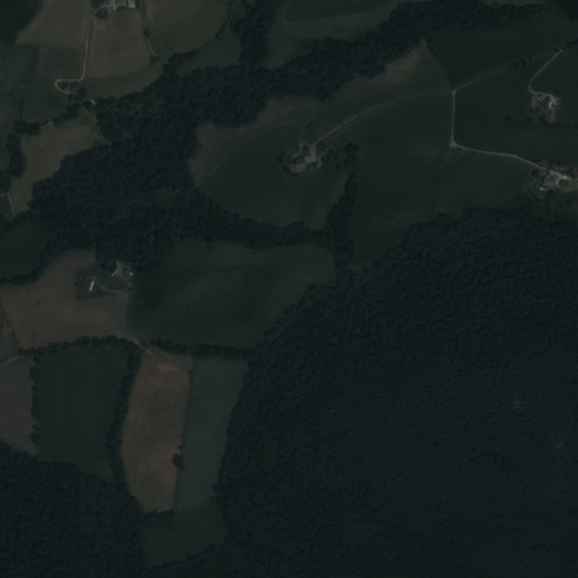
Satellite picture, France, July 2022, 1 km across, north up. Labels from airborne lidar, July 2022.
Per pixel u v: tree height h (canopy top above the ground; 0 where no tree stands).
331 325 29
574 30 0
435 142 0
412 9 16
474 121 0
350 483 7
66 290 0
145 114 7
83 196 24
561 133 0
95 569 11
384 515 7
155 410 0
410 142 0
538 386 6
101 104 20
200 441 0
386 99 0
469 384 7
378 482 7
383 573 8
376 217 0
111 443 17
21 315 0
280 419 20
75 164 27
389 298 23
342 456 8
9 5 0
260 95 20
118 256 22
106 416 0
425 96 0
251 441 28
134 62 0
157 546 0
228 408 0
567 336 24
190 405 0
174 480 0
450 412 9
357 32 0
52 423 0
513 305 10
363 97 0
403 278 19
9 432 0
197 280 0
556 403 11
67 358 0
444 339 14
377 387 7
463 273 10
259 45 25
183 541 0
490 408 9
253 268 0
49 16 0
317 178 0
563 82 0
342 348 13
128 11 0
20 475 31
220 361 0
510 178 0
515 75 0
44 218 25
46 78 0
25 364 0
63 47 0
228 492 20
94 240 26
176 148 26
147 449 0
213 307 0
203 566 11
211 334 0
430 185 0
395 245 0
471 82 0
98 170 23
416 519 6
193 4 0
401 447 6
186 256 0
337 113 0
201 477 0
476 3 11
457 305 16
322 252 0
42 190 27
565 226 17
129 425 0
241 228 24
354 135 0
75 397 0
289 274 0
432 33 11
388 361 9
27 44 0
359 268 0
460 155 0
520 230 18
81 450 0
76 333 0
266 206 0
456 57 0
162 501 0
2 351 0
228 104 24
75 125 0
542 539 5
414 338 18
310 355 9
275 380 32
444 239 29
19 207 0
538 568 6
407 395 9
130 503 18
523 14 14
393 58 8
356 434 8
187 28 0
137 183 24
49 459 0
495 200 0
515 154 0
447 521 11
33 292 0
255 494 10
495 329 14
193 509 0
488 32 0
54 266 0
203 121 8
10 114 0
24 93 0
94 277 0
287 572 8
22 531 23
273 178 0
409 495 6
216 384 0
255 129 0
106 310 0
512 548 6
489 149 0
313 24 0
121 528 13
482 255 25
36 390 17
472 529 5
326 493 10
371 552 5
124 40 0
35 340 0
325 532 8
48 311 0
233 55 0
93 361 0
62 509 19
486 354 23
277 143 0
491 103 0
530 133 0
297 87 15
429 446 6
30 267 0
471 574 10
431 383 7
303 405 11
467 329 12
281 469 7
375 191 0
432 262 22
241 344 0
